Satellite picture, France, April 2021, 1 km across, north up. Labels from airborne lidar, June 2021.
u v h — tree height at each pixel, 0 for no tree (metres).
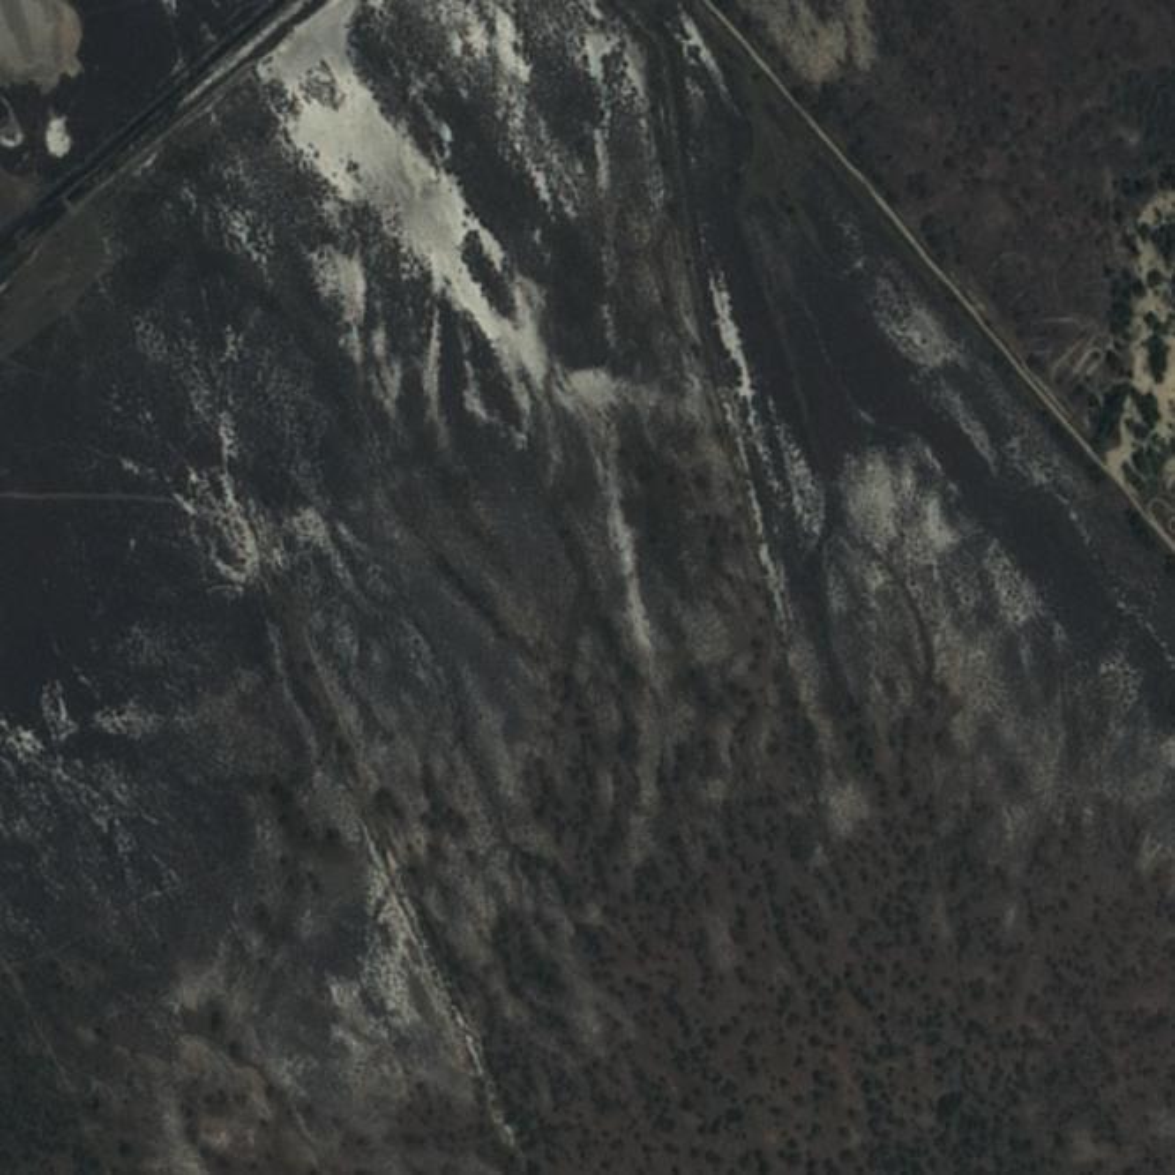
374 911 0
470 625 0
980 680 0
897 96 0
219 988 0
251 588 0
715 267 0
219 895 0
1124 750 0
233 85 0
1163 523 0
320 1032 0
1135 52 0
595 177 0
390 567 0
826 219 0
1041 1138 0
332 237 0
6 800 0
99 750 0
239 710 0
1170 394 0
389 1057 0
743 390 0
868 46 0
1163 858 0
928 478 0
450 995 0
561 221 0
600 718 0
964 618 0
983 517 0
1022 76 0
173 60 0
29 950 0
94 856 0
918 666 0
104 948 0
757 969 0
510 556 0
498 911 0
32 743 0
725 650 0
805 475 0
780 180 0
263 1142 0
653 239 0
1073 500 0
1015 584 0
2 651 0
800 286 0
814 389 0
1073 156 0
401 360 0
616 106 0
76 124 0
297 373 0
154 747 0
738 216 0
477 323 0
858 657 0
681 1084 0
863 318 0
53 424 0
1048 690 0
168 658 0
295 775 0
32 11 0
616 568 0
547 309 0
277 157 0
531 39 0
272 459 0
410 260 0
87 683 0
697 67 0
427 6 0
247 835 0
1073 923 0
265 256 0
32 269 0
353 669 0
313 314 0
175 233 0
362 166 0
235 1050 5
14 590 0
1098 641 0
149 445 0
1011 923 0
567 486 0
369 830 0
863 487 0
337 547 0
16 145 0
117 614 0
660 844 0
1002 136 0
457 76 0
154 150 0
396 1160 0
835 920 0
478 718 0
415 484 0
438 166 0
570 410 0
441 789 0
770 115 0
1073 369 0
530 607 0
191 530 0
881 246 0
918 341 0
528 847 0
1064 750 0
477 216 0
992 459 0
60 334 0
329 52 0
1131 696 0
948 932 0
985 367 0
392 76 0
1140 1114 0
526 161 0
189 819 0
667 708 0
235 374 0
